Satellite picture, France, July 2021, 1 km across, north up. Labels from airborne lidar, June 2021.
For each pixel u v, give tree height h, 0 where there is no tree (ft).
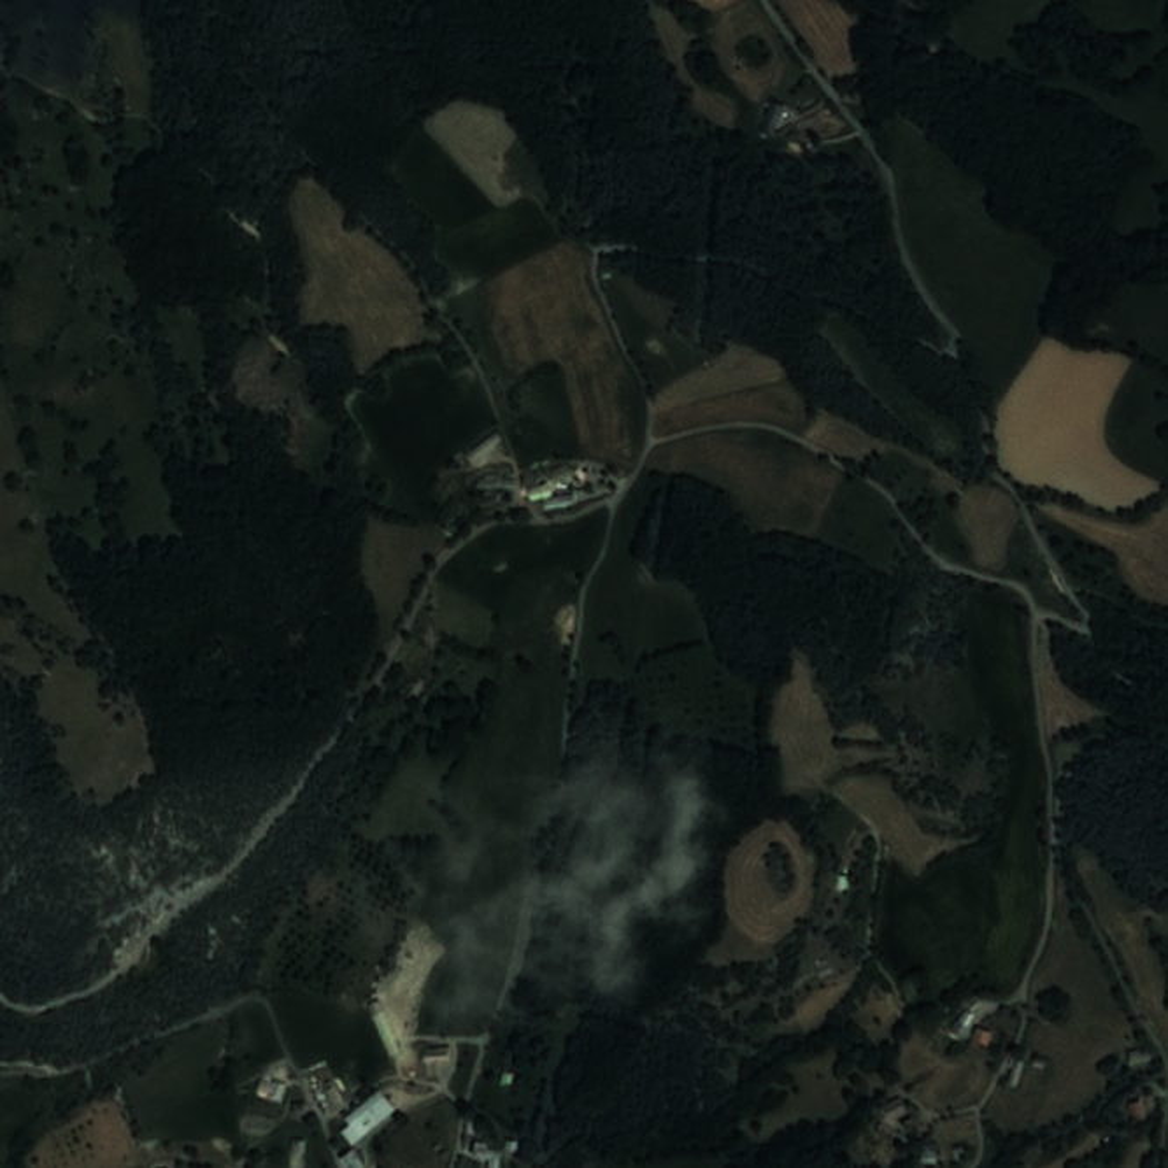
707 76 47
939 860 27
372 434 0
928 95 78
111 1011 21
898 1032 38
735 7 0
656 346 0
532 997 58
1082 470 0
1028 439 0
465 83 55
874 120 63
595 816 59
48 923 19
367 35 59
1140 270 73
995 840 23
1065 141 84
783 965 28
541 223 0
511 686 0
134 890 19
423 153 0
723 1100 31
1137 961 0
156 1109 0
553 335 0
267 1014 0
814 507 0
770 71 0
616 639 26
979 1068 0
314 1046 0
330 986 26
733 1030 28
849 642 24
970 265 0
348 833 23
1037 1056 31
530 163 0
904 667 22
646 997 41
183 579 62
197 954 26
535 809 0
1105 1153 19
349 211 28
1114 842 39
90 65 0
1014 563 0
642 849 56
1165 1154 40
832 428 0
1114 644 31
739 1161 61
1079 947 0
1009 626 0
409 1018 0
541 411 0
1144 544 0
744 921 0
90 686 0
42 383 0
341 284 0
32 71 0
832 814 19
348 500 52
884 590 38
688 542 38
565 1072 41
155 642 19
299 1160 0
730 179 60
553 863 35
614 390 0
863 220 58
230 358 47
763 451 0
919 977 33
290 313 39
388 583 0
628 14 53
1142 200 0
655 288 33
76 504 0
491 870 0
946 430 0
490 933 0
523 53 73
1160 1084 20
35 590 0
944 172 0
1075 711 0
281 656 31
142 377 0
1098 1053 0
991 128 85
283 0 31
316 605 50
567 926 72
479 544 0
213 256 56
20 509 0
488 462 0
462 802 0
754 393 0
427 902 0
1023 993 0
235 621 36
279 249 41
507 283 0
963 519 0
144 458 0
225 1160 0
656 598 0
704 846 50
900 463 0
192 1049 0
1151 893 26
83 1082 19
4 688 49
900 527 32
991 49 0
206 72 39
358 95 56
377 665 31
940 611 23
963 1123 0
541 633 0
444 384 0
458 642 25
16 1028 32
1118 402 0
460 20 58
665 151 74
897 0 96
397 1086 0
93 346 0
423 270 32
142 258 57
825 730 0
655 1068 31
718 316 45
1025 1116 0
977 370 46
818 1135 41
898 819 0
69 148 41
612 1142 52
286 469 67
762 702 41
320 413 33
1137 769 34
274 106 39
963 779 0
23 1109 0
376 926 0
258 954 30
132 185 75
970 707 0
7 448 0
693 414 0
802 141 0
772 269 49
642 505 0
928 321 51
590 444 0
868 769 20
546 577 0
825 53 0
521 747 0
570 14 67
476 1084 0
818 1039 54
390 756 63
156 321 27
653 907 38
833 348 45
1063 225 83
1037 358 0
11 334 0
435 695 25
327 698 59
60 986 22
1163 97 0
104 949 24
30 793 30
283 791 20
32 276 0
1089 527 0
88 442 0
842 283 47
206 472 66
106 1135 0
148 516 0
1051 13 45
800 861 0
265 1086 0
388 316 0
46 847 18
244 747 54
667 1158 45
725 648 66
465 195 0
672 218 70
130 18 0
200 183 68
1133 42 45
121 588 72
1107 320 0
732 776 83
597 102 62
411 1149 0
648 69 74
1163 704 45
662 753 46
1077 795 51
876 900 38
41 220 0
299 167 39
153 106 25
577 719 43
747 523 26
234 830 21
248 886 23
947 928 0
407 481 0
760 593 40
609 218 55
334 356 54
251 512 80
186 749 39
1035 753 0
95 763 0
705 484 31
